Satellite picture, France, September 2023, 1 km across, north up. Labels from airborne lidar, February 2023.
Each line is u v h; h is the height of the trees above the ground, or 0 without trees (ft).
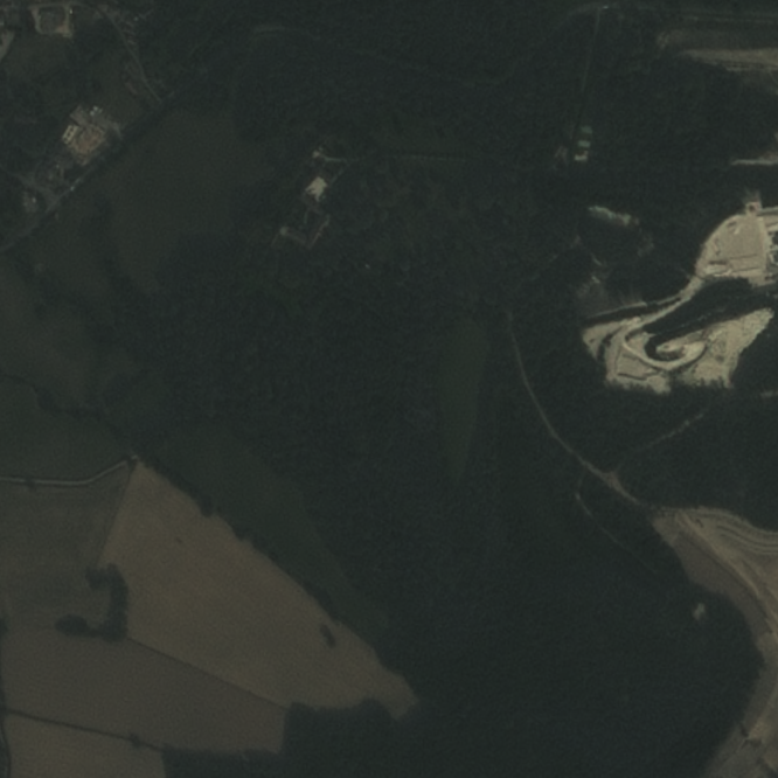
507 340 54
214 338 74
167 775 31
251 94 73
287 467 60
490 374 48
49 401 60
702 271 0
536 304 100
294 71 71
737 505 40
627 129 75
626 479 41
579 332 0
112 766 0
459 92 76
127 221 0
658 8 0
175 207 0
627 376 0
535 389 39
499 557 64
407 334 78
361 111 63
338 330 62
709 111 27
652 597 105
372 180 0
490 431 68
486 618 87
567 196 22
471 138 69
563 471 58
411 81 76
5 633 26
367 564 87
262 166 0
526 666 72
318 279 52
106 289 0
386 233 100
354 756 72
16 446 0
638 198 46
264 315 89
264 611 0
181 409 75
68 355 0
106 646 0
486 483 72
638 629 66
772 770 0
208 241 0
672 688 97
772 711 0
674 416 58
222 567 0
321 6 52
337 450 55
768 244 0
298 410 76
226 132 0
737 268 0
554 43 54
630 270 61
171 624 0
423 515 99
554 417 30
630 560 31
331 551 28
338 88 75
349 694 0
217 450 0
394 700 0
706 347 0
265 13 59
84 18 0
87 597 0
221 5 40
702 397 51
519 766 62
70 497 0
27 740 0
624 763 91
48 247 0
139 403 0
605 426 69
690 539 0
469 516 80
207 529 0
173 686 0
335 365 63
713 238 0
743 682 56
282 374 64
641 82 62
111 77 0
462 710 68
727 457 52
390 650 72
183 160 0
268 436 73
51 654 0
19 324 0
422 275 97
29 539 0
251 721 0
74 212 0
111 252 0
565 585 73
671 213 73
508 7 71
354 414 77
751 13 0
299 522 0
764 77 0
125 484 0
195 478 0
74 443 0
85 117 37
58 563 0
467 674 72
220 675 0
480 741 64
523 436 61
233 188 0
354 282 53
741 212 0
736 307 0
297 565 0
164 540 0
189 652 0
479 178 80
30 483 44
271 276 54
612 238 71
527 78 68
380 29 67
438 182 42
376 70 79
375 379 53
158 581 0
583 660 65
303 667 0
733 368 0
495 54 80
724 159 71
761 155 0
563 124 68
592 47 0
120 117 0
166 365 76
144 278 0
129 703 0
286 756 57
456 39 80
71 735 0
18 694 0
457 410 0
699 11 0
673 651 63
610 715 90
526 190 95
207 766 57
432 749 75
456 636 92
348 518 88
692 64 81
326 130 73
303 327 55
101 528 0
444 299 90
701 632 72
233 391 68
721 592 0
